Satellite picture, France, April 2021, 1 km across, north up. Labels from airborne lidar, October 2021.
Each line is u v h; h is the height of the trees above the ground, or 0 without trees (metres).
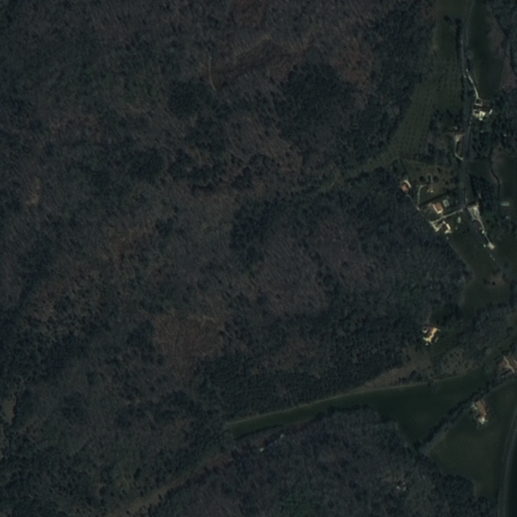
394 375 0
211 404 11
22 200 14
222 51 11
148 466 14
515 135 17
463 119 13
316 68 15
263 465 15
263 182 9
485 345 12
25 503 18
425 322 26
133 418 25
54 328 7
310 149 16
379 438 21
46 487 13
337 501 19
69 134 12
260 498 14
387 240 19
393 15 11
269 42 6
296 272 13
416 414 0
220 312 12
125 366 15
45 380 14
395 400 0
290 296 16
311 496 19
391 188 27
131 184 21
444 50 0
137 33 9
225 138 16
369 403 0
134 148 21
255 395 12
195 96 17
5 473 14
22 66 8
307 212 17
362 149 21
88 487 13
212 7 18
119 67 8
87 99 16
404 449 18
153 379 16
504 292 0
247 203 17
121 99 19
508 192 0
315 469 17
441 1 0
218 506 18
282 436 0
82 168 17
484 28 0
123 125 13
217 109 18
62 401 16
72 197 24
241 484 11
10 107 10
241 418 12
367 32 15
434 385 12
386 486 10
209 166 17
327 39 16
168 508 18
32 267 19
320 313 15
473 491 22
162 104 18
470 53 19
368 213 10
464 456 0
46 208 16
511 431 0
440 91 7
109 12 14
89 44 12
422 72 21
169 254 19
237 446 10
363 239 8
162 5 10
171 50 15
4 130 8
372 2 14
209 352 9
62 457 12
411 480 22
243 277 21
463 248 0
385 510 14
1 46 11
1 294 17
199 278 12
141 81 18
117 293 13
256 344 12
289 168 11
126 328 17
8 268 18
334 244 10
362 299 15
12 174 17
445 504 20
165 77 20
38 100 16
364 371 13
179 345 8
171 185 11
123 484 14
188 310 16
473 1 0
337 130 13
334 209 13
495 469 0
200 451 28
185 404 23
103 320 7
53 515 20
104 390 17
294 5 12
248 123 15
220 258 14
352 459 15
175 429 15
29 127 11
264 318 13
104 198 20
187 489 15
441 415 0
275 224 16
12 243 18
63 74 12
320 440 17
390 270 17
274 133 11
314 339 16
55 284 6
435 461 0
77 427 15
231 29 12
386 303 18
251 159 9
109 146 19
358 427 17
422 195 0
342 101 15
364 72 15
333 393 11
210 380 13
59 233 22
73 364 18
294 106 18
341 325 10
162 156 15
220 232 15
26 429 7
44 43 10
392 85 14
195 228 23
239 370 9
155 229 8
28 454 17
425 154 9
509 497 0
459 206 14
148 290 12
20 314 15
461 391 0
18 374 18
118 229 14
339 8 17
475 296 0
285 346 18
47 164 19
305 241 10
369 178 12
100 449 14
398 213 12
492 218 9
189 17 19
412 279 21
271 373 12
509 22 19
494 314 24
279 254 13
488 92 0
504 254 0
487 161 9
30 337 10
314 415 0
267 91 13
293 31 12
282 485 21
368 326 20
